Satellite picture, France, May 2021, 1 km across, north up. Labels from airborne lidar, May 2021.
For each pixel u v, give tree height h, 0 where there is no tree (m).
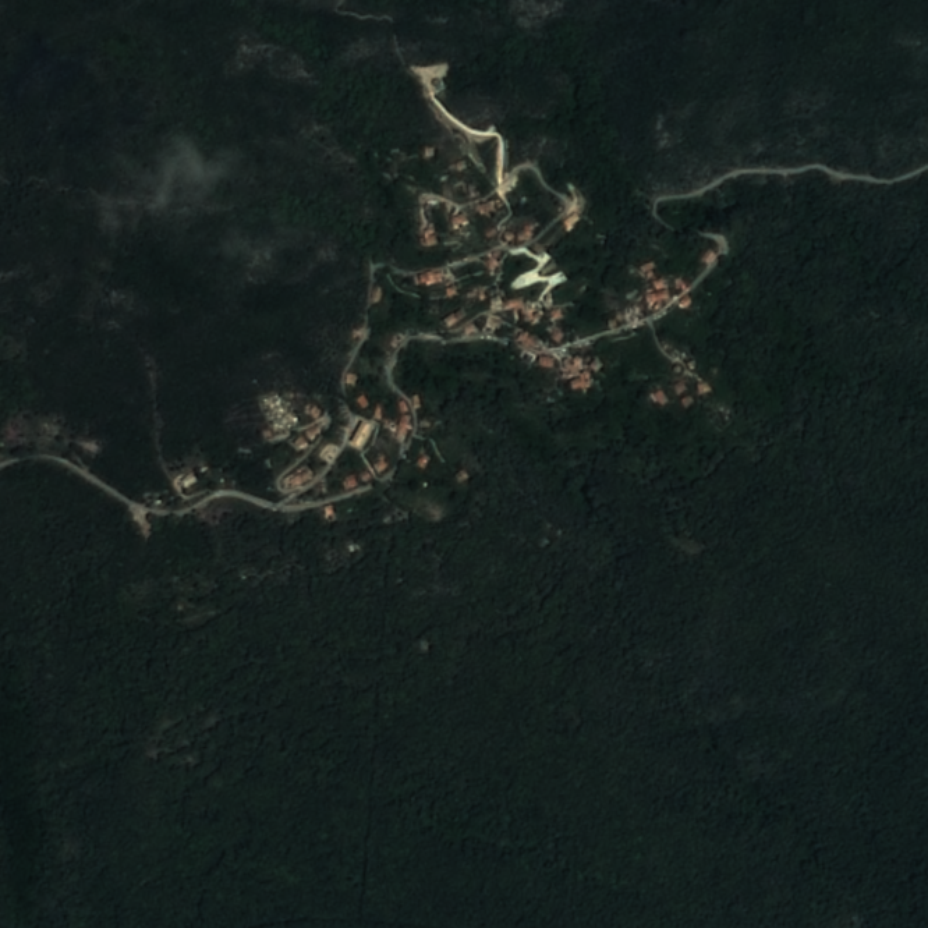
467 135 0
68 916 13
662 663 11
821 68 6
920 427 20
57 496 8
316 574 6
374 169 7
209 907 14
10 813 26
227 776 14
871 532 9
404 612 9
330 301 6
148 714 8
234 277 7
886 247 8
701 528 10
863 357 13
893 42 6
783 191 7
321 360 7
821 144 7
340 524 12
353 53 0
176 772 13
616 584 14
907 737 13
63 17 5
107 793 6
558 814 11
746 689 8
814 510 13
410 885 16
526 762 13
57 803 9
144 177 6
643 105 6
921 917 16
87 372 6
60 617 11
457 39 6
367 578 9
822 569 10
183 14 6
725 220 25
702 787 14
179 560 9
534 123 8
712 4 7
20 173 8
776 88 7
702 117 7
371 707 9
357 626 11
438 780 7
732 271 9
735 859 10
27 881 25
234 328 5
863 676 9
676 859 10
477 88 12
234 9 8
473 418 13
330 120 9
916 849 14
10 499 5
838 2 6
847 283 8
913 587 6
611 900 11
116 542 6
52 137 6
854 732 12
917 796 8
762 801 11
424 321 8
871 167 8
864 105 5
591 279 11
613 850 9
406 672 7
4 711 28
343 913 16
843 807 7
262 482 8
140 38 7
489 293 7
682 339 6
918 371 11
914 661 9
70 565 9
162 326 5
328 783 9
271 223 8
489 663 10
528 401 11
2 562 9
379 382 10
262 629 12
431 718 10
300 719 13
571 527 7
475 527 9
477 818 13
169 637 9
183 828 11
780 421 6
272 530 7
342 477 6
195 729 9
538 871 11
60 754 10
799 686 13
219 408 5
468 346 10
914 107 6
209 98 7
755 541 14
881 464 9
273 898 11
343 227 10
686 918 10
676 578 9
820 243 17
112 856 11
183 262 7
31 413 6
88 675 14
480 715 7
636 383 7
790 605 11
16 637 12
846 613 8
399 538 12
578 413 10
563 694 9
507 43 19
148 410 6
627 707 11
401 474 9
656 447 7
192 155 5
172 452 6
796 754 8
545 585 7
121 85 6
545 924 15
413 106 7
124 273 6
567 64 16
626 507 19
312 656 14
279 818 15
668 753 11
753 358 13
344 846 14
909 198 11
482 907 14
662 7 6
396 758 10
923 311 12
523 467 8
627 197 9
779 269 11
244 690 13
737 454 13
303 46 15
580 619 11
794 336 6
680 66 5
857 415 18
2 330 9
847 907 8
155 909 9
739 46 8
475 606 12
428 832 14
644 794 11
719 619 8
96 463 6
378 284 10
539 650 14
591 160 8
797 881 7
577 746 9
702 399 6
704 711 8
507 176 0
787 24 9
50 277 12
